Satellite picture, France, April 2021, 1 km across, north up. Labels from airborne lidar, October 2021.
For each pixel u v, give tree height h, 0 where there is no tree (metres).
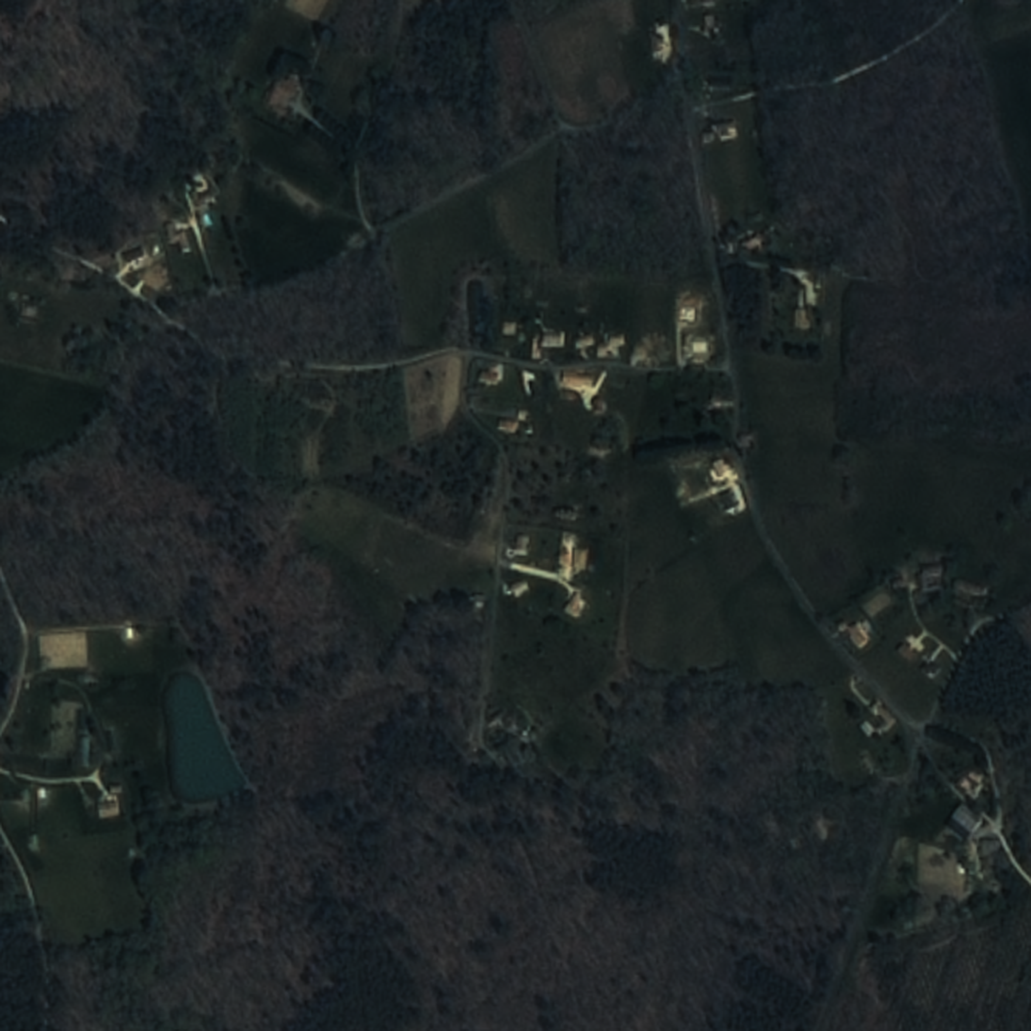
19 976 26
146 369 15
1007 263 14
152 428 24
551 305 0
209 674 14
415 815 21
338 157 13
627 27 0
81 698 0
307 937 11
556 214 7
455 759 25
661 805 22
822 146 14
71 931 0
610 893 21
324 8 0
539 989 8
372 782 21
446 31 14
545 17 8
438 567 0
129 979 20
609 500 0
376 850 8
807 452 0
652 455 20
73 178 22
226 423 11
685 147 16
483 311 10
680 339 0
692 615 0
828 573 0
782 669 0
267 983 17
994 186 21
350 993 26
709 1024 14
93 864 0
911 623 0
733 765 18
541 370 0
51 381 0
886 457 0
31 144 9
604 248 19
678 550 0
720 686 12
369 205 11
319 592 14
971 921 11
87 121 17
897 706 0
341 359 14
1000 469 0
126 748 0
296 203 0
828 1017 0
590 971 14
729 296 14
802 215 16
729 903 17
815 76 15
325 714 15
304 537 0
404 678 15
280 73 12
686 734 14
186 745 0
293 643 7
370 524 0
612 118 15
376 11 11
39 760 0
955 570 14
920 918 9
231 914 13
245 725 7
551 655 0
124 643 0
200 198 0
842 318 0
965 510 0
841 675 0
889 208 19
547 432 0
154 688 0
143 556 16
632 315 0
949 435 9
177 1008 17
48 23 19
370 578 0
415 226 0
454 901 16
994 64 0
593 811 25
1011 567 0
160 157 20
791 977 9
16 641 18
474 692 17
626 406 0
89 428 17
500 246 0
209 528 7
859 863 12
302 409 7
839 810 17
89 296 0
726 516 0
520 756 14
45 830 0
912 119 15
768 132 20
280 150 0
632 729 22
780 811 17
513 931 13
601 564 0
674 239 20
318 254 0
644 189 17
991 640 16
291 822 13
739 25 0
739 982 12
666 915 19
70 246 9
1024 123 0
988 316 16
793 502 0
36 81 20
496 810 12
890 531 0
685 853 24
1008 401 12
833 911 12
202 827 18
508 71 5
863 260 18
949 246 15
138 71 13
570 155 18
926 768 18
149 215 15
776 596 0
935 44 14
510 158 12
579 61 0
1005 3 0
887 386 11
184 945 16
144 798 12
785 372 0
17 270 9
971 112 18
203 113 18
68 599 17
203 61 20
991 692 18
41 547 18
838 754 0
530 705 0
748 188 0
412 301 0
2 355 0
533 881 11
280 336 16
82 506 8
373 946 25
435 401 0
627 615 0
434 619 19
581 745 0
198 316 11
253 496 16
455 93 7
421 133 22
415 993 27
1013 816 9
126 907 0
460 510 7
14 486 18
